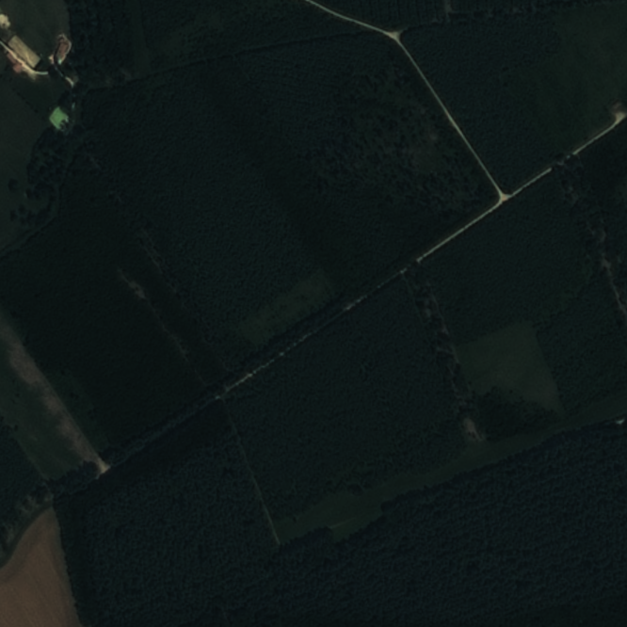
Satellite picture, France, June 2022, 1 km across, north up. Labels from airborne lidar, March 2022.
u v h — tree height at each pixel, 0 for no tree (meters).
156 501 25
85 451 0
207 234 10
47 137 17
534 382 0
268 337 0
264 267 11
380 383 11
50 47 0
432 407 13
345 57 10
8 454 14
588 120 0
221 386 16
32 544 0
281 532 0
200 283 9
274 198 10
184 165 9
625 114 0
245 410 10
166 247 9
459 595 22
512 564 20
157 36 9
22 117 0
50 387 0
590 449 20
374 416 12
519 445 0
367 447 9
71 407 0
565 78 0
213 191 10
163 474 21
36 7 0
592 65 0
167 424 13
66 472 0
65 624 0
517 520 24
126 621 19
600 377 8
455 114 7
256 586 19
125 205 16
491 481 24
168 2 11
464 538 20
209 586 22
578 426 0
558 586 24
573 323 10
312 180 9
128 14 17
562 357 10
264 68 10
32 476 12
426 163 0
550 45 8
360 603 22
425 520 23
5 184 0
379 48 11
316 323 17
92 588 18
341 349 12
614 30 0
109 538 24
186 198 9
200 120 9
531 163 11
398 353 9
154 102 8
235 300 7
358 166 23
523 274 10
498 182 9
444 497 24
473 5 8
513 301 9
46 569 0
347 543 14
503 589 24
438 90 10
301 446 12
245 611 24
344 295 18
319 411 10
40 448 0
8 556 0
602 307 11
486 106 9
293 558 26
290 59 11
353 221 11
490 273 10
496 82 10
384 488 0
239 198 8
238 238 10
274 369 8
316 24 7
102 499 20
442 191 28
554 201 9
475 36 11
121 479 18
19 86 0
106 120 10
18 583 0
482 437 19
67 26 0
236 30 8
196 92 10
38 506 0
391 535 21
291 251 10
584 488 18
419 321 13
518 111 12
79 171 18
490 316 10
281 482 9
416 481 0
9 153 0
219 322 9
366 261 11
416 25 7
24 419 0
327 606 25
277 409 11
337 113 9
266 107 11
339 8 11
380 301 11
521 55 10
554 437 0
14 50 0
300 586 24
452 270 8
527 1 8
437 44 12
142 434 14
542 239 8
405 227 6
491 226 11
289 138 10
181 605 22
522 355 0
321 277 0
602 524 23
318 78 10
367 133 0
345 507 0
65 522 17
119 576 22
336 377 12
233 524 21
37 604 0
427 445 8
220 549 23
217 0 11
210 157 9
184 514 21
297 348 9
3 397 0
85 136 21
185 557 24
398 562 27
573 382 10
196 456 25
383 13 11
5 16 0
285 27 7
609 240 20
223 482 24
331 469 11
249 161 10
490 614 22
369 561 21
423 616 22
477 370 0
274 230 8
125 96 8
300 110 11
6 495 11
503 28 12
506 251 11
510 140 12
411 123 25
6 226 0
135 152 9
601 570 25
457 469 0
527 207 9
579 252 7
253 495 20
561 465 25
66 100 16
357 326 11
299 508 11
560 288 9
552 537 24
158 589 23
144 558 24
